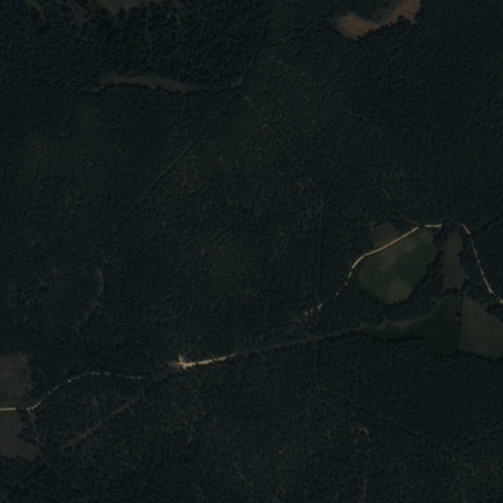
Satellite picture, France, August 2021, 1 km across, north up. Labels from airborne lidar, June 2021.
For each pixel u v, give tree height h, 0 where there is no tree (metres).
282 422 9
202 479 16
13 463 16
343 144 12
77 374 16
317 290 15
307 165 13
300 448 16
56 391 13
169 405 14
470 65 13
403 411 12
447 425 12
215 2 12
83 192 13
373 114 14
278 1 11
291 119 12
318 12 16
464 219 17
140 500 20
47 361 22
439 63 13
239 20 12
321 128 12
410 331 0
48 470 19
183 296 12
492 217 15
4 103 13
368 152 12
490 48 14
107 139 9
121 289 8
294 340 15
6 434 0
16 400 0
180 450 19
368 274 0
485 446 13
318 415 11
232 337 23
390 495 11
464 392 13
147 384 17
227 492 16
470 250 13
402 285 0
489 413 12
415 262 0
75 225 14
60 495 18
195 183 10
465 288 11
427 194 18
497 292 16
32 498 18
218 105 10
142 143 12
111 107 15
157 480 23
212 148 8
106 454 18
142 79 0
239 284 16
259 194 15
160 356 14
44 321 25
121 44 18
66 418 14
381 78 14
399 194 12
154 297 13
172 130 13
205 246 7
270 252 11
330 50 13
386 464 12
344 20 0
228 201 19
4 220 15
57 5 13
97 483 16
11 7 13
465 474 11
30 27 16
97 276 18
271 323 15
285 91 7
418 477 11
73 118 9
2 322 21
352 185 13
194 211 11
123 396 12
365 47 17
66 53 17
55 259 15
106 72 14
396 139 16
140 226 13
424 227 10
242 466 12
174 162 8
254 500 14
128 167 14
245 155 11
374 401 17
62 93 14
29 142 8
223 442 12
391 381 14
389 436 10
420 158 14
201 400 18
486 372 15
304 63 8
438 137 16
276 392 8
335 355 12
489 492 17
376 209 11
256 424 13
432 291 16
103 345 16
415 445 11
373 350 17
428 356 18
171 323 11
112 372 8
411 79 11
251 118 10
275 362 9
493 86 14
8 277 16
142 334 18
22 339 19
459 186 16
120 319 15
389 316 16
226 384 20
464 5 14
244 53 11
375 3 13
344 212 13
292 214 8
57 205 16
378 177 10
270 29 8
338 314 14
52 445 12
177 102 12
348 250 18
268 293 16
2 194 15
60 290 18
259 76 11
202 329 15
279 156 11
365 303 16
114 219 14
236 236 11
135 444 18
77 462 18
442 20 14
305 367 12
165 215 10
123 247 12
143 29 11
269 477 11
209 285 11
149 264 14
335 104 10
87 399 10
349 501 13
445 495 10
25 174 8
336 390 13
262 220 14
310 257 14
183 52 14
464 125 20
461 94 16
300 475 14
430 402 12
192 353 9
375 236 0
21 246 15
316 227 10
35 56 12
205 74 13
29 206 14
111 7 0
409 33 13
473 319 0
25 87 15
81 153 10
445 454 11
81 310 24
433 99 14
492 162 16
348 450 14
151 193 10
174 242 11
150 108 14
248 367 11
